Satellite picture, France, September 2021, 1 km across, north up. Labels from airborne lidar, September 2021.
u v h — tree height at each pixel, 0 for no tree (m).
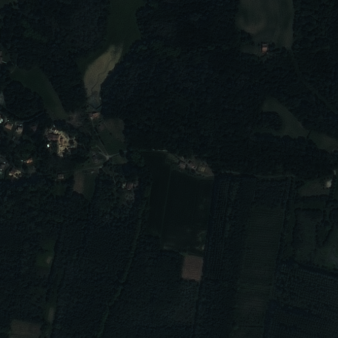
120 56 0
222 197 28
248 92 28
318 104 23
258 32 0
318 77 11
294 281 28
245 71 15
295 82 17
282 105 5
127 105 17
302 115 28
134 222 22
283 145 20
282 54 19
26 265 26
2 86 19
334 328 29
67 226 20
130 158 20
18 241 22
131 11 0
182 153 18
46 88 0
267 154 23
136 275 21
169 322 11
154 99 22
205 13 18
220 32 22
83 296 13
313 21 32
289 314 31
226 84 32
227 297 24
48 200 19
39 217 23
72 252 15
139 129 16
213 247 24
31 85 0
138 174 20
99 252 23
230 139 21
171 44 24
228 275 20
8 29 20
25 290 10
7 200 37
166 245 0
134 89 11
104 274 15
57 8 16
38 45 28
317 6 26
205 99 20
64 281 13
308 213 9
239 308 0
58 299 8
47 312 0
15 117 15
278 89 15
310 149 20
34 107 18
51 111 0
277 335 28
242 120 14
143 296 17
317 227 9
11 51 16
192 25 17
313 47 29
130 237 21
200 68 20
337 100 14
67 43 16
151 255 28
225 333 22
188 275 0
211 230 23
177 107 9
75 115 0
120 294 23
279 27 0
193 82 21
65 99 25
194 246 0
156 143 21
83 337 10
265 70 13
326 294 29
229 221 18
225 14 18
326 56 16
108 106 13
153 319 15
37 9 14
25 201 32
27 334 0
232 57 18
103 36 11
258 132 0
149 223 0
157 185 0
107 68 0
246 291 0
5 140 17
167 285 15
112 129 0
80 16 20
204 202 0
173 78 22
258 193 16
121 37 0
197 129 17
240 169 21
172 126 18
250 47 0
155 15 18
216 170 20
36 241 15
